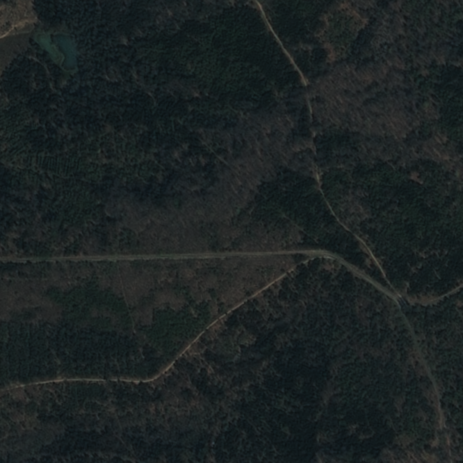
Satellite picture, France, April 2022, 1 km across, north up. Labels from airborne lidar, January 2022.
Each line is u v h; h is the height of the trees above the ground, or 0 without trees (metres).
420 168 13
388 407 13
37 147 20
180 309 9
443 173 11
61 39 0
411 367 11
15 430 15
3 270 11
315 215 9
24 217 32
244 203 22
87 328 7
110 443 14
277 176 15
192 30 11
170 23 28
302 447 11
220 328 7
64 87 6
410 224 12
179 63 12
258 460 12
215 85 12
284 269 8
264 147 25
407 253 9
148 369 13
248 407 11
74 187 12
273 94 13
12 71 9
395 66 24
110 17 23
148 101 20
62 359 23
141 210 26
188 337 15
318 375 10
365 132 28
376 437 8
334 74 24
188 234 20
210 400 14
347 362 15
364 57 29
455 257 10
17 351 21
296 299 9
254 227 10
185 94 25
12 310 6
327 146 15
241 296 10
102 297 13
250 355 18
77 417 11
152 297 8
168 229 19
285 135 25
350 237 12
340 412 10
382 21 23
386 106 27
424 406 13
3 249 13
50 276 10
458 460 33
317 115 17
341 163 22
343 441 11
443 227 11
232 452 11
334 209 15
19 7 37
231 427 12
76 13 31
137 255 12
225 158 23
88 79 31
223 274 8
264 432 11
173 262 8
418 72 15
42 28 23
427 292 10
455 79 11
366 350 8
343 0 10
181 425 14
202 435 11
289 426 12
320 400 8
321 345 10
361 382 12
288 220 10
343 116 23
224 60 13
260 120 30
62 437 17
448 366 14
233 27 13
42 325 14
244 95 10
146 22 22
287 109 23
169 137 15
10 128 9
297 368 9
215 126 12
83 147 8
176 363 10
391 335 11
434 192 13
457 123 15
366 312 9
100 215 9
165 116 16
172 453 13
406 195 14
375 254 11
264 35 9
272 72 12
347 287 12
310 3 13
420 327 10
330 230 11
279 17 8
